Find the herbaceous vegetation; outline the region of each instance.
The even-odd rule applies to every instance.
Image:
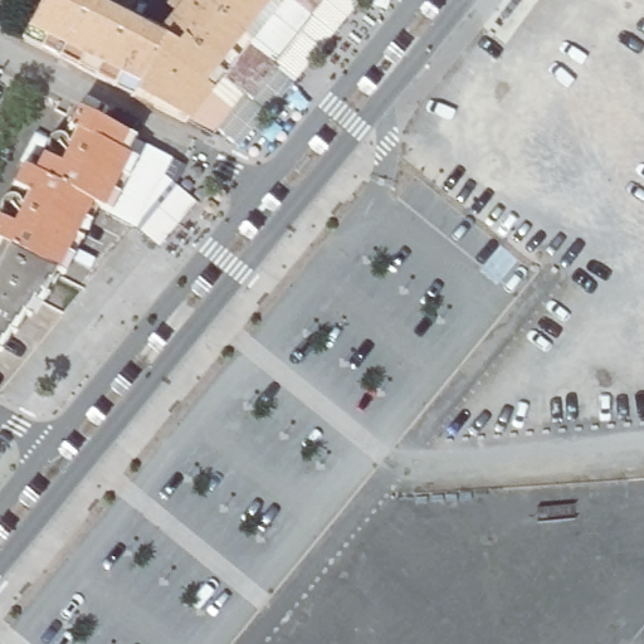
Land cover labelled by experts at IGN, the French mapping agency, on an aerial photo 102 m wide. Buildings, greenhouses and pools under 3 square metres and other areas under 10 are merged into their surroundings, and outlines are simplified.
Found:
[[[60,282],[50,284],[45,302],[58,309],[68,309],[68,304],[75,299],[78,292],[70,284]]]

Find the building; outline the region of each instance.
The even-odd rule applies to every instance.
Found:
[[[307,8],[319,8],[322,0],[297,0]]]
[[[196,121],[206,128],[216,128],[242,96],[236,81],[242,75],[267,78],[279,65],[274,58],[254,48],[257,33],[264,25],[259,13],[269,0],[169,0],[169,18],[156,25],[113,0],[40,0],[23,35],[28,45],[53,55],[60,65],[78,68],[101,83],[116,86],[128,96],[143,101],[146,106],[174,116],[176,121]]]
[[[86,229],[91,229],[91,209],[96,206],[126,224],[136,224],[153,242],[166,242],[166,236],[179,226],[179,221],[184,221],[194,201],[176,181],[169,179],[171,156],[153,146],[146,146],[136,138],[133,128],[88,106],[81,118],[68,123],[70,136],[60,156],[50,153],[50,146],[38,146],[28,164],[18,161],[18,174],[13,184],[25,189],[25,196],[15,209],[15,216],[0,214],[0,352],[8,347],[10,337],[15,337],[23,319],[35,317],[45,302],[50,284],[60,282],[65,272],[58,272],[58,264],[63,254],[73,249],[73,244],[78,242],[75,234],[86,234]]]

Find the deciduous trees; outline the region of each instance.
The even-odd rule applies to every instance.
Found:
[[[332,330],[330,325],[319,325],[299,345],[302,355],[322,352],[327,347]]]
[[[23,128],[28,128],[35,118],[43,116],[48,93],[13,78],[13,83],[3,86],[0,93],[0,153],[8,151],[8,146],[13,143],[18,146]]]
[[[73,636],[83,641],[93,634],[96,619],[78,616],[73,621]]]
[[[8,35],[23,35],[40,0],[0,0],[0,30]]]

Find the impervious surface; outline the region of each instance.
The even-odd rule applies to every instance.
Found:
[[[68,304],[68,309],[58,309],[45,302],[35,317],[23,319],[15,337],[10,337],[8,347],[0,352],[0,644],[644,644],[644,0],[322,0],[319,8],[307,8],[297,0],[269,0],[259,13],[264,25],[257,33],[254,48],[274,58],[279,65],[267,78],[242,75],[236,81],[242,96],[216,128],[206,128],[196,121],[176,121],[174,116],[146,106],[143,101],[128,96],[116,86],[101,83],[78,68],[60,65],[53,55],[28,45],[23,35],[8,35],[0,30],[0,93],[3,86],[13,83],[13,78],[48,93],[43,116],[35,118],[28,128],[23,128],[18,146],[13,143],[8,146],[8,151],[0,153],[0,214],[15,216],[15,209],[25,196],[25,189],[13,184],[18,174],[18,161],[28,164],[38,146],[50,146],[50,153],[60,156],[70,136],[68,123],[81,118],[88,106],[133,128],[136,138],[146,146],[153,146],[171,156],[169,179],[176,181],[194,201],[184,221],[179,221],[179,226],[166,236],[166,242],[153,242],[136,224],[126,224],[96,206],[91,209],[91,229],[86,229],[86,234],[75,234],[78,242],[73,244],[73,249],[63,254],[58,264],[58,272],[65,272],[60,282],[70,284],[78,292],[75,299]],[[322,352],[302,355],[299,345],[319,325],[330,325],[332,330],[327,347]],[[96,619],[93,634],[83,641],[73,636],[73,621],[78,616]]]
[[[156,25],[169,18],[169,0],[113,0]]]

